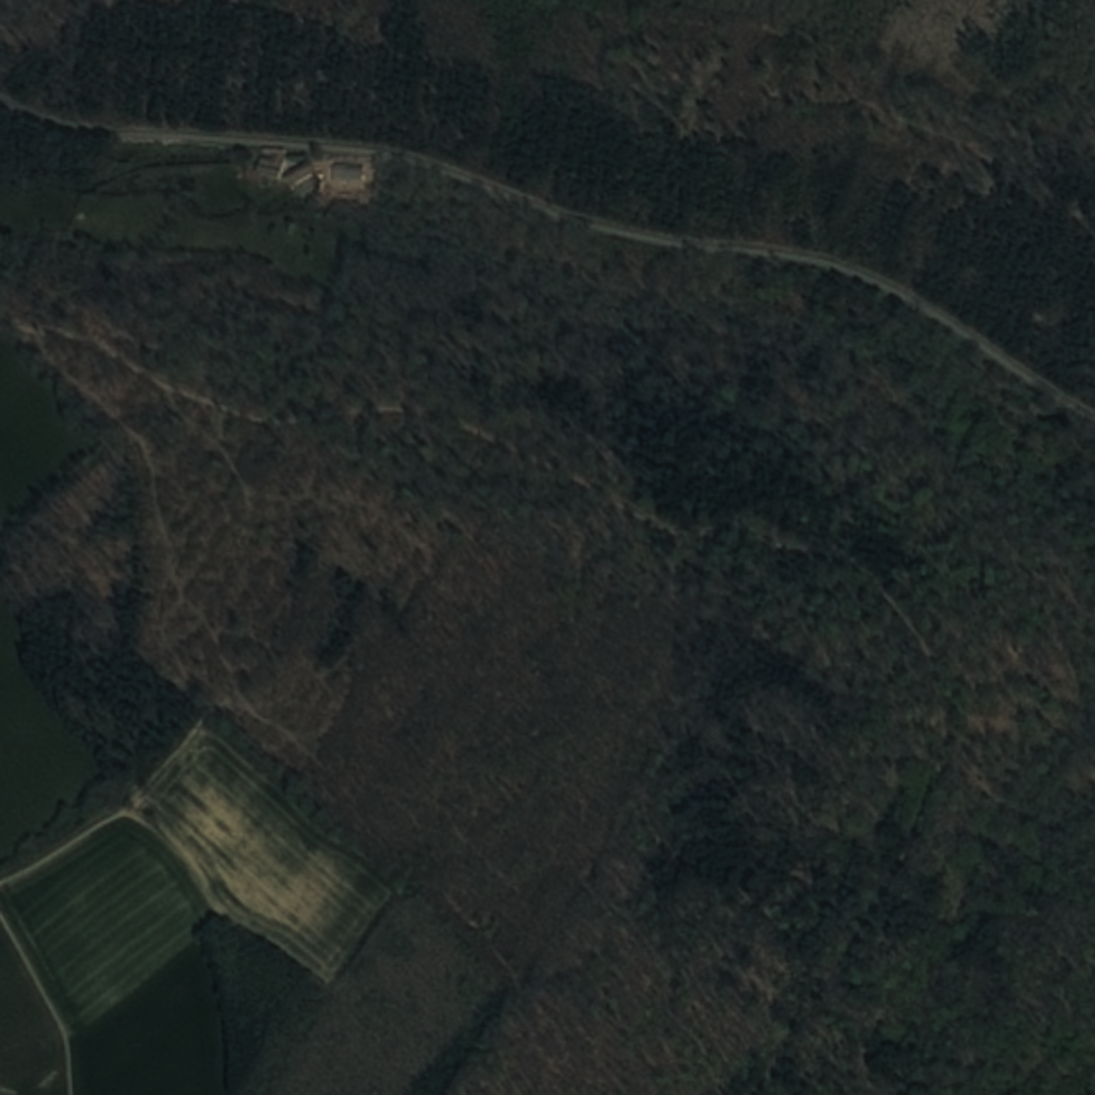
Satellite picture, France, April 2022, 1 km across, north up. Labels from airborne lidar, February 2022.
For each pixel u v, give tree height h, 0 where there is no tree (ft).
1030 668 107
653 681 54
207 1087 0
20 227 0
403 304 107
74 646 73
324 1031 58
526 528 85
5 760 0
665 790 73
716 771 91
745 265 78
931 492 87
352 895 0
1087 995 107
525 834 49
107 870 0
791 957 102
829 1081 73
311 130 55
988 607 99
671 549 71
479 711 53
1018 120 74
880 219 54
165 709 84
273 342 96
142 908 0
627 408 101
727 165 47
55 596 94
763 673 66
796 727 86
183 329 101
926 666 87
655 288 77
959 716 89
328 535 54
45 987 0
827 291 43
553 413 40
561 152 67
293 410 51
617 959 89
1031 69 78
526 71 61
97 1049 0
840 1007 100
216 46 55
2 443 0
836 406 96
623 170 60
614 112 74
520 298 78
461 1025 60
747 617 46
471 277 81
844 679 76
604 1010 96
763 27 28
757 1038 95
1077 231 46
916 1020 89
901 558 49
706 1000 96
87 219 0
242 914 0
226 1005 53
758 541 39
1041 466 101
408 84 56
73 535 97
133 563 27
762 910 55
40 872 0
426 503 115
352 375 88
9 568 93
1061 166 94
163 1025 0
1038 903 110
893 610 88
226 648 39
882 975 106
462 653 64
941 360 85
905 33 0
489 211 90
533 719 58
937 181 60
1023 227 52
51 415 0
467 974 54
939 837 92
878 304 42
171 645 0
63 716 63
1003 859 98
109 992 0
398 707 58
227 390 67
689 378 48
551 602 53
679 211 56
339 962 0
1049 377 35
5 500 0
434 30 55
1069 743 74
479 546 54
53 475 0
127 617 85
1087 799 38
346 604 33
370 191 31
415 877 45
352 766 52
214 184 0
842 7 32
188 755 0
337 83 59
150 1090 0
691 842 88
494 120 69
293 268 0
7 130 78
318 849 0
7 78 89
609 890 89
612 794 59
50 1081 0
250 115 35
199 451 37
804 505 41
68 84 86
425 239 79
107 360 65
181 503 24
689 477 29
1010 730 0
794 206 45
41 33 73
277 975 54
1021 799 97
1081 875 91
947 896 63
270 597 31
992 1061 88
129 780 55
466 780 61
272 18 41
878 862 72
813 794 81
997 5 0
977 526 88
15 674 0
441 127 33
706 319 98
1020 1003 95
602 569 69
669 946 86
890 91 0
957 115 96
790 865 109
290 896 0
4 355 0
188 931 0
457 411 81
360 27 19
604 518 91
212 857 0
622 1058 87
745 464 27
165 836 0
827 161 52
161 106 70
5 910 0
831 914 111
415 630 52
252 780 0
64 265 37
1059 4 62
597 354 101
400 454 101
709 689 79
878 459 94
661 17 46
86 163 67
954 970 104
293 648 44
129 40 56
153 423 36
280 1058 59
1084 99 17
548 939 53
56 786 0
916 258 50
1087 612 107
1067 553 117
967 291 57
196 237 0
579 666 56
